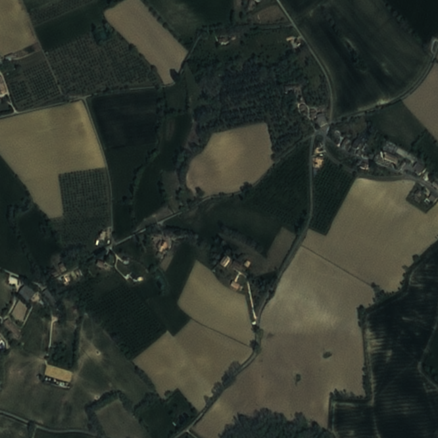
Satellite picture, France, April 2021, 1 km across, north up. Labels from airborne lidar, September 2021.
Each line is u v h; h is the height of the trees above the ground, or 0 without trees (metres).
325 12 17
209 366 0
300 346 0
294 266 0
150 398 17
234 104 10
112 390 0
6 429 0
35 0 0
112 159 0
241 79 13
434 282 0
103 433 16
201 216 0
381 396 0
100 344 0
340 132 0
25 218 0
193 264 0
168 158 0
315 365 0
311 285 0
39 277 23
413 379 0
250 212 0
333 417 0
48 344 0
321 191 6
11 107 8
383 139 9
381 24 0
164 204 10
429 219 0
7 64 14
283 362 0
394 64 0
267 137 0
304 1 0
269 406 0
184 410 0
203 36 14
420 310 0
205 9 0
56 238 20
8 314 11
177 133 0
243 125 9
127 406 17
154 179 0
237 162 0
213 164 0
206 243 12
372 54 0
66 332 0
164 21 12
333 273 0
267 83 12
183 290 0
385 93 0
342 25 0
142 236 16
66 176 6
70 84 8
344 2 0
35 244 0
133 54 11
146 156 0
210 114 23
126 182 0
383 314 0
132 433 0
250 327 0
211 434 0
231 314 0
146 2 13
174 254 0
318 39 0
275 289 10
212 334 0
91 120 0
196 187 0
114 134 0
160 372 0
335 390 0
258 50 0
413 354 0
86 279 9
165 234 16
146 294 0
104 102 0
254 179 0
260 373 0
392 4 0
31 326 0
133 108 0
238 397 0
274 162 17
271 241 0
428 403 0
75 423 0
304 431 6
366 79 0
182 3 0
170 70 0
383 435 0
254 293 7
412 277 0
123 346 15
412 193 8
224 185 0
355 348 0
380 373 0
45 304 15
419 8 0
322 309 0
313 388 0
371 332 0
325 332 0
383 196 0
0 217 0
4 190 0
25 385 0
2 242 0
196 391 0
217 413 0
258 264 0
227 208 0
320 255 0
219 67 18
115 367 0
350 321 0
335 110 0
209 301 0
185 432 0
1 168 0
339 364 0
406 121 0
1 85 0
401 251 0
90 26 0
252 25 13
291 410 0
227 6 0
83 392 0
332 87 0
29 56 0
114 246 7
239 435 23
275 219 0
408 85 0
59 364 10
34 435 12
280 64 16
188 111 15
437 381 14
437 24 0
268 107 11
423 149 7
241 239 24
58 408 0
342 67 0
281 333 0
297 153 0
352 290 0
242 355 0
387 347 0
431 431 0
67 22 0
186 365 0
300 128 10
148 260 0
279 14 0
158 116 13
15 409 0
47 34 0
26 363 0
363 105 0
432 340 0
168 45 0
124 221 0
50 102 8
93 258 8
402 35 0
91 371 0
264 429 24
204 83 24
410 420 0
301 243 0
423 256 0
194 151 19
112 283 0
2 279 0
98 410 11
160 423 0
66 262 14
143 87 0
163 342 0
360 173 13
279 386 0
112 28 15
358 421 0
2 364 14
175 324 0
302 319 0
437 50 0
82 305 19
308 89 16
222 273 7
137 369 11
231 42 11
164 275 0
